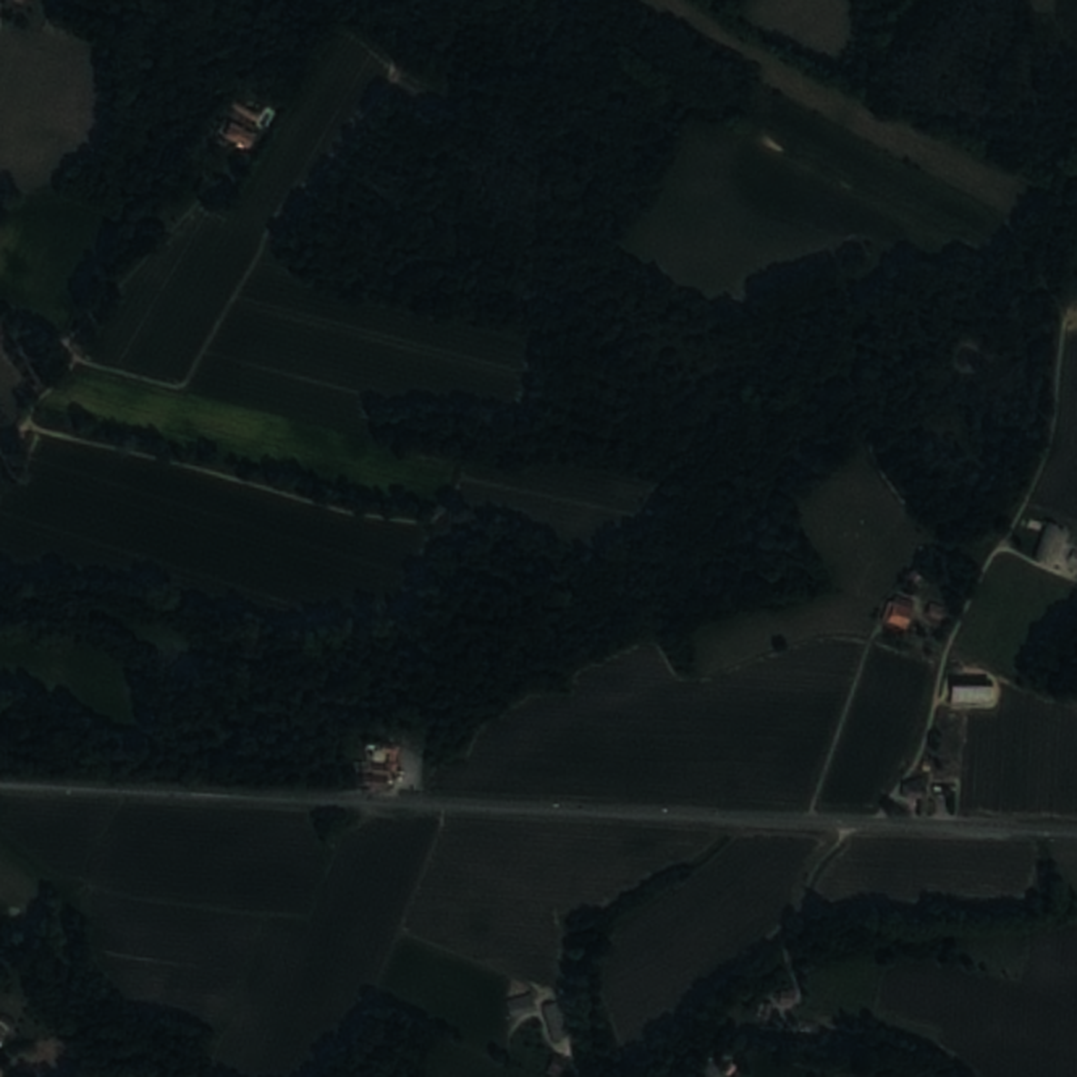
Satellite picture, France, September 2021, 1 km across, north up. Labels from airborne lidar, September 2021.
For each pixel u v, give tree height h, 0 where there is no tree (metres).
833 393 26
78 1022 24
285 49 26
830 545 0
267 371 0
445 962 0
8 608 21
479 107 18
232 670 25
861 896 0
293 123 0
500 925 0
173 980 0
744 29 21
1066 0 0
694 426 21
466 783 0
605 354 12
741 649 0
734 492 20
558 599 30
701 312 13
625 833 0
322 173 10
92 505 0
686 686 0
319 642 25
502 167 21
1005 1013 0
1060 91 22
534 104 18
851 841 0
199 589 0
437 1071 0
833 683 0
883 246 0
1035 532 0
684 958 0
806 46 0
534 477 0
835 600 0
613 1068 19
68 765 18
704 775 0
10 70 0
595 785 0
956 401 7
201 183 10
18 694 25
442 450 25
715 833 0
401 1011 21
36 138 0
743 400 23
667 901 0
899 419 19
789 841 0
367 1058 26
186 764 28
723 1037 18
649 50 21
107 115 18
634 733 0
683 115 9
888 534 0
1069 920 14
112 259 17
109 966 0
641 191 14
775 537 27
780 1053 24
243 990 0
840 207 0
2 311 18
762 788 0
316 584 0
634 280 14
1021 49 20
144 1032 26
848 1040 13
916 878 0
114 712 0
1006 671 0
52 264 0
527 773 0
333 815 8
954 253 11
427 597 34
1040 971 0
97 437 11
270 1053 0
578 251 16
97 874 0
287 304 0
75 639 19
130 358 0
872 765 0
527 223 9
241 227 0
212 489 0
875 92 17
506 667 29
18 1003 0
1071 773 0
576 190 17
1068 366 0
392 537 0
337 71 0
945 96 15
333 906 0
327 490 13
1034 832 0
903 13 27
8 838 0
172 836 0
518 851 0
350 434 0
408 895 0
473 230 24
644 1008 0
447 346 0
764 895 0
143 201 25
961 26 20
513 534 28
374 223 20
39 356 30
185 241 0
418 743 0
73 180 15
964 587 20
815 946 22
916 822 0
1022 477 15
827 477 14
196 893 0
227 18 27
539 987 0
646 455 22
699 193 0
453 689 29
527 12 25
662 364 6
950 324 15
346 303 21
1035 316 14
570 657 23
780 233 0
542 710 0
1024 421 15
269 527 0
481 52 16
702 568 20
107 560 0
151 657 14
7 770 16
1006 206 0
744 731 0
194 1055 22
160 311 0
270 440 0
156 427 0
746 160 0
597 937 8
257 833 0
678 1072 31
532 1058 0
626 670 0
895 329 22
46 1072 0
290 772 24
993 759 0
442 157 19
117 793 0
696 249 0
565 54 24
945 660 0
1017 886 0
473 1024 0
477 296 17
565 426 23
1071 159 28
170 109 28
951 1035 0
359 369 0
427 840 0
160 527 0
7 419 26
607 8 20
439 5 22
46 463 0
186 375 0
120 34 24
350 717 28
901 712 0
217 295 0
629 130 23
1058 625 22
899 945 18
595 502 0
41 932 26
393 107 22
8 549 0
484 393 0
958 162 0
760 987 22
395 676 30
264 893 0
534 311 28
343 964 0
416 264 20
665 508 21
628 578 25
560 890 0
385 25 14
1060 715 0
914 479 24
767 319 21
